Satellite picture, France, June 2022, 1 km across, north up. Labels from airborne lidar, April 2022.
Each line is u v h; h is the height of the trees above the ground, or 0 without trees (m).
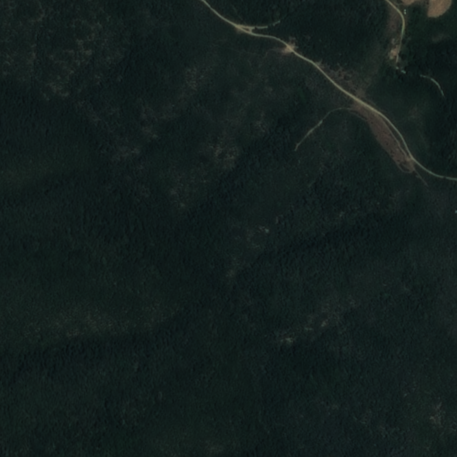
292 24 9
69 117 13
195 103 6
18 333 7
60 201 12
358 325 11
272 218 11
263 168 8
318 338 9
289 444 8
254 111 6
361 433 11
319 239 19
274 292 7
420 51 14
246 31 0
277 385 9
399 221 8
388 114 0
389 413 10
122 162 6
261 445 11
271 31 7
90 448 12
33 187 11
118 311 10
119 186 16
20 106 14
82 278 8
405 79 15
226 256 6
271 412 9
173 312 6
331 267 7
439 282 9
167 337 12
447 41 6
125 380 12
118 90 8
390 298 8
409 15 0
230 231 11
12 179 9
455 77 7
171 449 8
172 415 12
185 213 9
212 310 12
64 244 13
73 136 12
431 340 8
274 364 11
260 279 8
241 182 7
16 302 10
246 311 11
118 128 7
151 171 7
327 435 8
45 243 12
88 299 10
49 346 6
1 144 16
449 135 10
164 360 8
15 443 16
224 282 6
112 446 11
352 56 10
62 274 8
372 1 8
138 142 7
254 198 6
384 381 7
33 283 8
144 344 11
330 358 11
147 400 13
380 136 0
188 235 9
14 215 15
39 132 17
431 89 9
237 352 11
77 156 10
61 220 14
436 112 8
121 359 11
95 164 10
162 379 15
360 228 19
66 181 11
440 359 9
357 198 7
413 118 0
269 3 10
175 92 8
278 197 8
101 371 10
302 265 9
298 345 8
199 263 10
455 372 6
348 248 9
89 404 15
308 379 12
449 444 8
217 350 10
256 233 8
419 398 7
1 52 6
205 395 14
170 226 11
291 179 7
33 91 8
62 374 13
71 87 7
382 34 6
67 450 18
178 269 12
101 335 7
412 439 9
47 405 10
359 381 6
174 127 8
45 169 9
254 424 8
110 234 19
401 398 9
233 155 6
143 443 12
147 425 8
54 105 10
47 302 13
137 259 13
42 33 7
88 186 10
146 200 11
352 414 9
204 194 8
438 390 11
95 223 11
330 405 8
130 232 16
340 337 8
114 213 8
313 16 12
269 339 6
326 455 8
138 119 8
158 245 15
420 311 9
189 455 6
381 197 6
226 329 9
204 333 10
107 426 14
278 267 9
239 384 8
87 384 14
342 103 0
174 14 6
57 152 9
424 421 8
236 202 9
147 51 8
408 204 7
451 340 9
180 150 6
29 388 13
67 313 10
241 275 14
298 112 6
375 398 8
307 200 10
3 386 17
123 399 16
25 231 11
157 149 9
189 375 14
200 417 13
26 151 14
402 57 8
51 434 13
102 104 10
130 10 7
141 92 7
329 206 13
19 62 7
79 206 15
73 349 16
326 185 7
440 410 6
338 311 9
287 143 7
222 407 10
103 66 7
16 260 9
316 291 6
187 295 11
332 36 11
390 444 8
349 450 12
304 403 7
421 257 6
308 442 11
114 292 13
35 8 8
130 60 13
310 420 7
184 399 11
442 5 0
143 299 8
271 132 12
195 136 6
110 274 10
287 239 11
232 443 9
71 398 13
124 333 10
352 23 11
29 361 12
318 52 8
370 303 9
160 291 9
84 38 6
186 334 10
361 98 0
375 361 8
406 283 6
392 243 6
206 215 9
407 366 7
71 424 13
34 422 10
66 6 9
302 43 8
